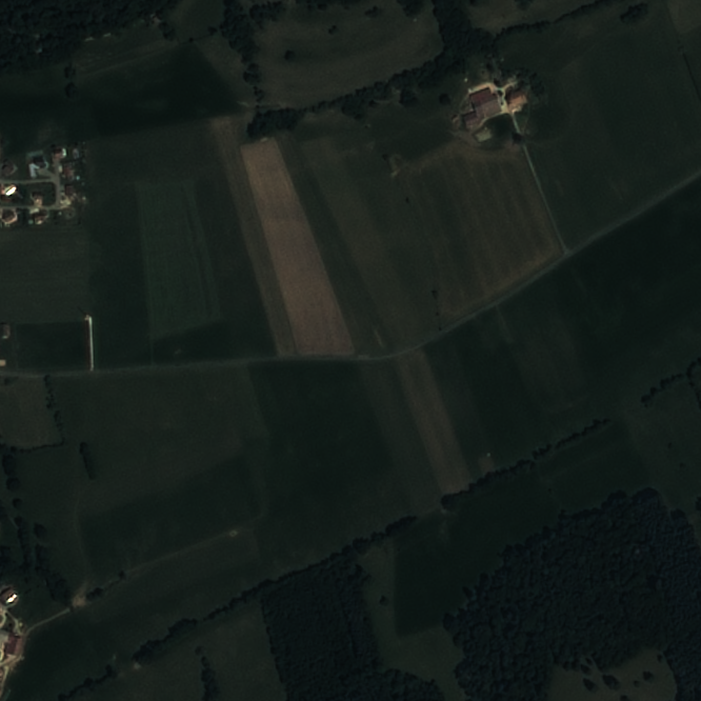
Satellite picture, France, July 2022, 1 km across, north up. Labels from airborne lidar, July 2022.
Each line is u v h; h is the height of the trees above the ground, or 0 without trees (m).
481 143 0
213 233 0
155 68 0
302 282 0
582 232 0
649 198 0
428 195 0
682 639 22
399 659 0
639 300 0
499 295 0
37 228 0
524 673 21
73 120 0
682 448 0
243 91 0
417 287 0
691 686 18
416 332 0
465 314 0
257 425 0
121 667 0
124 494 0
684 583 26
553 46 0
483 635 25
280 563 0
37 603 0
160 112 0
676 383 8
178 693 0
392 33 0
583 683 0
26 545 13
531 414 0
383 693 23
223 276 0
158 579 0
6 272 0
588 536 19
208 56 0
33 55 19
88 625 0
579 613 27
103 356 0
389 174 0
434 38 0
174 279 0
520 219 0
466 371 0
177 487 0
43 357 0
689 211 0
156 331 0
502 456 0
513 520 0
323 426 0
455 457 0
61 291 0
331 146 0
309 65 0
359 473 0
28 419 0
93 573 0
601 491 0
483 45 14
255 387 0
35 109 0
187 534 0
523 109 0
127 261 0
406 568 0
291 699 8
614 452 0
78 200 0
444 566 0
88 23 18
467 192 0
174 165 0
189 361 0
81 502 0
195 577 0
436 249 0
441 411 0
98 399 0
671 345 0
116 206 0
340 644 12
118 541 0
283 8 12
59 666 0
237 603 12
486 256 0
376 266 0
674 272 0
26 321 0
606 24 0
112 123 0
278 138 0
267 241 0
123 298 0
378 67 0
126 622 0
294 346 0
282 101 0
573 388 0
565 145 0
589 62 0
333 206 0
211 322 0
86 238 0
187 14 0
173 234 0
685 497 0
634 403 0
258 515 0
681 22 0
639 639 16
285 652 6
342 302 0
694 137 0
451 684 0
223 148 0
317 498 0
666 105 0
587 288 0
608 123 0
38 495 0
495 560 0
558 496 0
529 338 0
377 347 0
